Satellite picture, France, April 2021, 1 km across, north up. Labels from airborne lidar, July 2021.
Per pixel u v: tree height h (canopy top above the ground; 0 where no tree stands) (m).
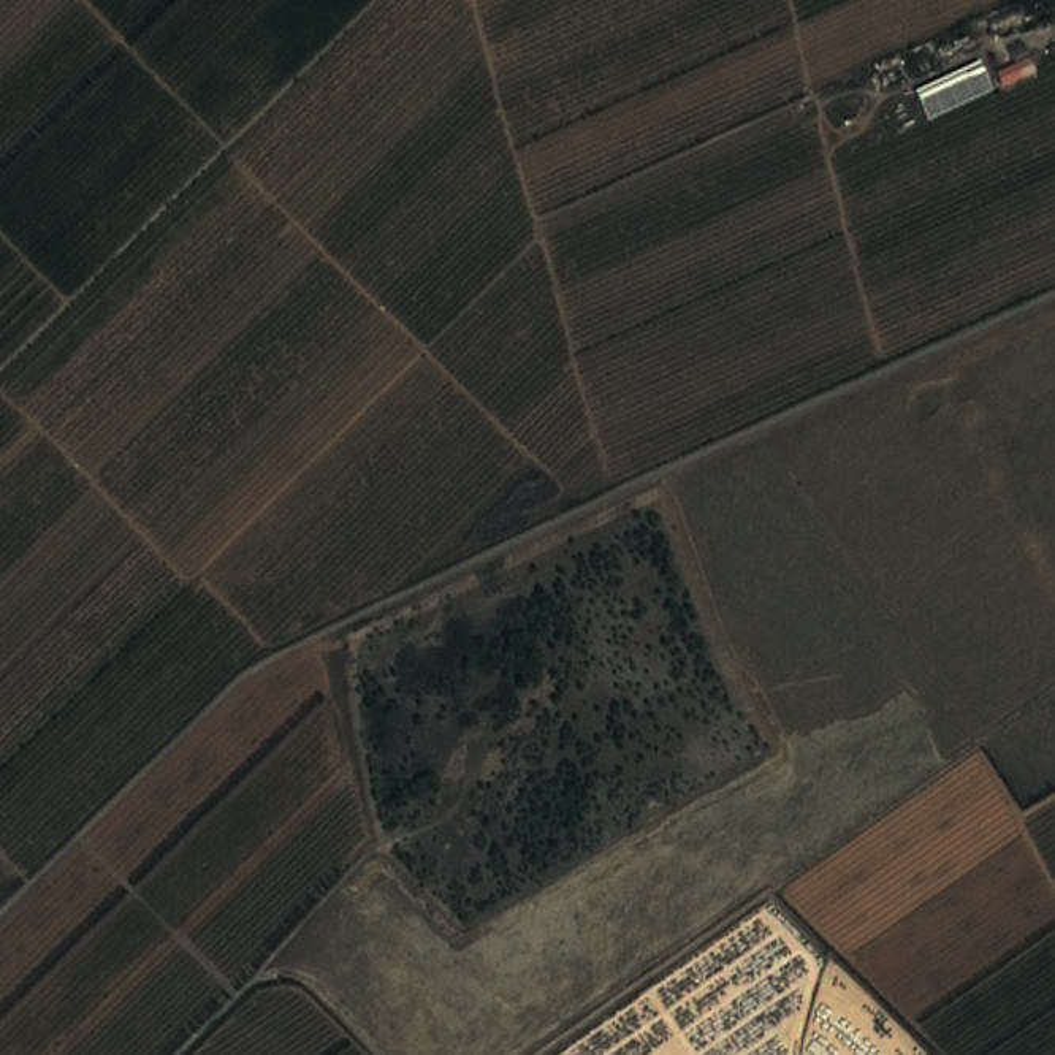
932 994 0
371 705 11
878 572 0
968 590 0
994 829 0
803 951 0
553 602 13
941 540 0
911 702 0
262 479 0
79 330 0
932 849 0
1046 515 0
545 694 0
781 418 0
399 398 0
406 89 0
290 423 0
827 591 0
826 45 0
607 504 0
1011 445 0
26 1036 0
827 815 0
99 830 0
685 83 0
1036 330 0
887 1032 0
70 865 0
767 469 0
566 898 0
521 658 15
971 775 0
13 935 0
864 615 0
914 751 0
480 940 0
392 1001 0
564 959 0
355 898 0
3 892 0
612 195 0
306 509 0
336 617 0
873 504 0
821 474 0
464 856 0
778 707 0
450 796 0
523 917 0
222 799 16
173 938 0
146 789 0
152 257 0
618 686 7
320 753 0
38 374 0
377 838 0
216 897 0
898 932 0
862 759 0
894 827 0
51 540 0
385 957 0
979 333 0
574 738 7
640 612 7
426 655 0
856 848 0
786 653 0
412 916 0
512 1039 0
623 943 0
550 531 0
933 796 0
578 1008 0
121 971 0
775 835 0
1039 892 0
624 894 0
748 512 0
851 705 0
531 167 0
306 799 0
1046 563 0
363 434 0
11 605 0
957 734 0
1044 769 0
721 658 0
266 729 0
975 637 0
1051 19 5
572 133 0
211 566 0
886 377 0
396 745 0
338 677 0
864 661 0
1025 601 0
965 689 0
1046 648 0
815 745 0
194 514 0
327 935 0
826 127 0
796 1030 0
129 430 0
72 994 0
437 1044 0
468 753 0
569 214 0
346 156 0
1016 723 0
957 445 0
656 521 9
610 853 0
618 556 6
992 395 0
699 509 0
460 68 0
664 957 0
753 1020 0
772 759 0
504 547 0
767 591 0
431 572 0
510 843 9
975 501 0
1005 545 0
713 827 0
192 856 0
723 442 0
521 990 0
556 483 0
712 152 0
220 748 0
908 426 0
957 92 0
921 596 0
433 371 0
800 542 0
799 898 0
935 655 0
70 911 0
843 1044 0
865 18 0
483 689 0
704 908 0
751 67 0
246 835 0
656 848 0
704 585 0
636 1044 0
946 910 0
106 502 0
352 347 0
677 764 0
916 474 0
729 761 0
